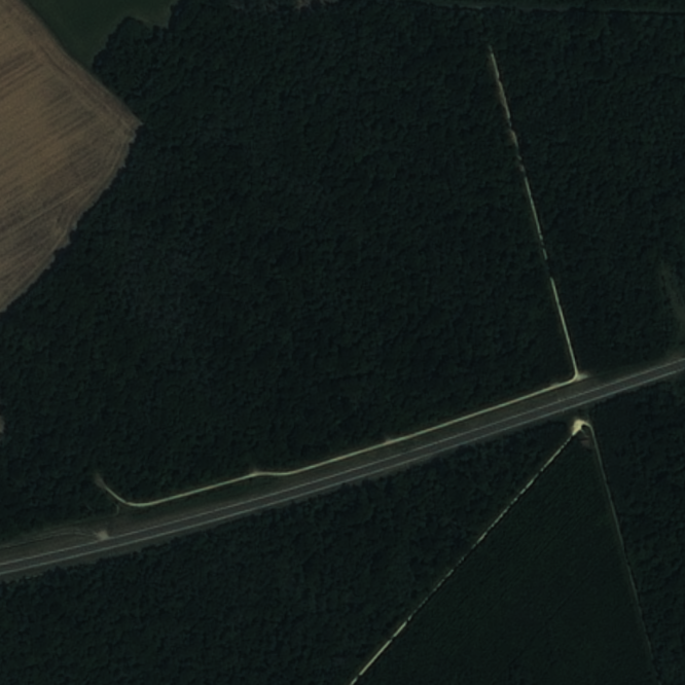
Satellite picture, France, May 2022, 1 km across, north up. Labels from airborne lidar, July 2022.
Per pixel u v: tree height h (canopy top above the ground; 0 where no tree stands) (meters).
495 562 9
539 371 22
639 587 17
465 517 23
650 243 19
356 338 17
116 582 20
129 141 0
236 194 25
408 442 0
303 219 16
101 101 0
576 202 19
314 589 13
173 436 22
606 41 22
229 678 19
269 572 21
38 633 22
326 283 17
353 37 16
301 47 18
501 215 27
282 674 18
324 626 22
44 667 19
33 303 18
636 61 20
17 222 0
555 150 21
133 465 25
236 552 15
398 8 23
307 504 6
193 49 23
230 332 25
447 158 8
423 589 11
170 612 23
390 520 13
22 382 21
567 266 9
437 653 9
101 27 0
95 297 22
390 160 20
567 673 9
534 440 12
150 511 5
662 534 20
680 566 15
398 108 19
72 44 0
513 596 9
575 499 9
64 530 0
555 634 11
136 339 22
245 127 21
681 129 18
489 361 21
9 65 0
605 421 11
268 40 17
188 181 23
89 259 20
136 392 16
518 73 19
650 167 23
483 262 20
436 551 20
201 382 13
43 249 0
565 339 10
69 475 22
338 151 21
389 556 20
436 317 26
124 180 18
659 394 14
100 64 16
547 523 10
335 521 19
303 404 22
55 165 0
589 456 12
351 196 23
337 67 22
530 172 13
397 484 10
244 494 0
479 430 0
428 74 18
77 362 20
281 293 19
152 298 19
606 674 8
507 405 0
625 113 20
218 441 24
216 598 22
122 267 26
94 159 0
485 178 19
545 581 8
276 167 21
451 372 20
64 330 23
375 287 15
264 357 26
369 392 15
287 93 15
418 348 24
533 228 9
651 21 17
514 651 11
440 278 20
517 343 19
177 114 27
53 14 0
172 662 27
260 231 17
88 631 20
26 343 25
